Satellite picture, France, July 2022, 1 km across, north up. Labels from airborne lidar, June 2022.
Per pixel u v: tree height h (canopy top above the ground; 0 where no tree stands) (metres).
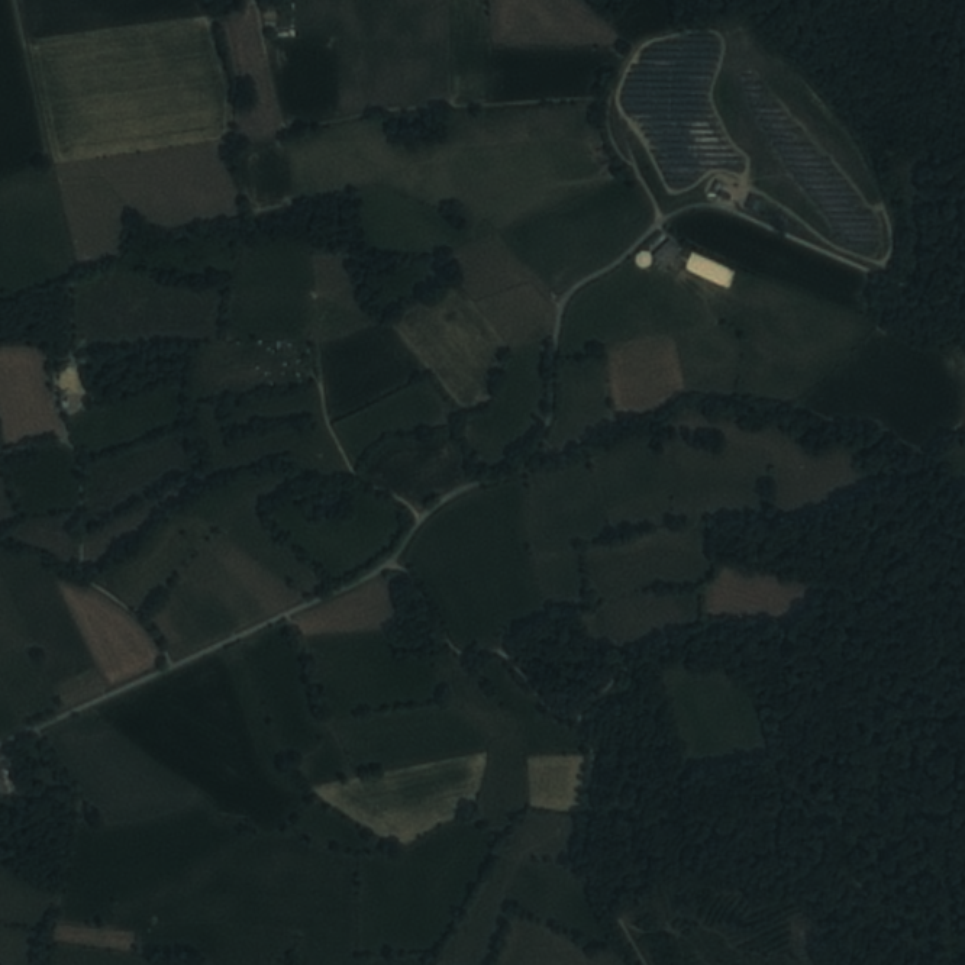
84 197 0
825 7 21
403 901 0
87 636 0
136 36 0
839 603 27
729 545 18
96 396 12
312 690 19
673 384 0
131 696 0
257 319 0
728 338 0
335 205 17
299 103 0
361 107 0
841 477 0
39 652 15
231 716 0
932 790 31
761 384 0
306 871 0
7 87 0
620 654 21
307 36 0
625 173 16
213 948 0
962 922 28
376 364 0
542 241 0
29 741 10
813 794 18
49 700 0
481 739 0
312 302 0
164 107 0
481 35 0
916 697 26
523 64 0
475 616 0
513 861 0
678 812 20
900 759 30
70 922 0
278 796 0
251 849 0
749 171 0
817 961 22
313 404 0
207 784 0
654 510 0
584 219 0
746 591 0
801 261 0
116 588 0
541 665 20
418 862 0
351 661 0
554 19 0
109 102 0
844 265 0
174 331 0
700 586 7
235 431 15
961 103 21
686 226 0
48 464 0
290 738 0
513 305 0
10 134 0
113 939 0
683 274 0
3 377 0
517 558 0
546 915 0
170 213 0
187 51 0
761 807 26
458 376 0
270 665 0
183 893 0
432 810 0
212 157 0
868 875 10
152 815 0
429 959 13
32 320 7
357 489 10
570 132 0
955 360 0
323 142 0
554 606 16
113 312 0
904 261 14
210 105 0
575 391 0
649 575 0
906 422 0
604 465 0
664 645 22
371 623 0
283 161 0
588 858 21
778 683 28
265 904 0
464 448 10
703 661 26
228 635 0
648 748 24
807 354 0
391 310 14
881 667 31
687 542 0
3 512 0
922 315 19
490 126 0
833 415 0
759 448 0
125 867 0
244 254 0
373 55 0
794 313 0
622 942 16
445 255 15
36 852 16
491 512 0
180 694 0
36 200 0
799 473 0
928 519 19
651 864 29
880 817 28
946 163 26
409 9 0
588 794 15
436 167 0
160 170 0
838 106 15
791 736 26
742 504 0
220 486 18
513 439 0
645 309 0
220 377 0
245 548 0
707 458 0
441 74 0
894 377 0
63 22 0
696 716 0
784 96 0
